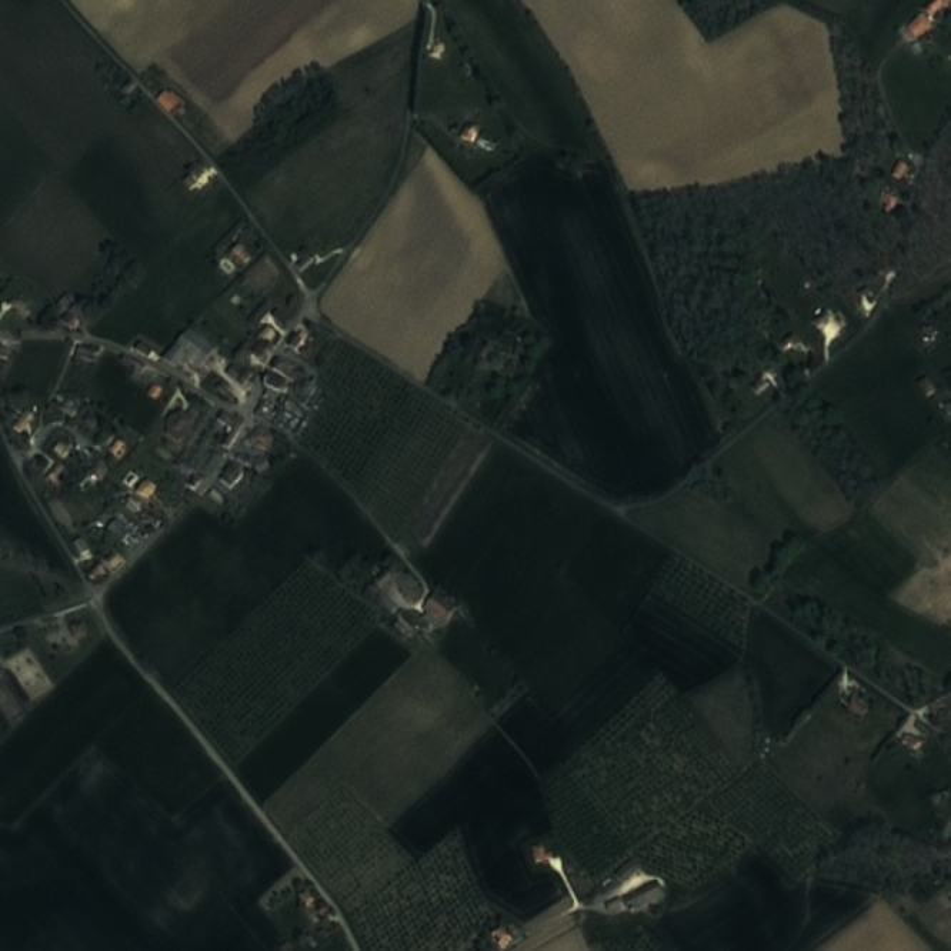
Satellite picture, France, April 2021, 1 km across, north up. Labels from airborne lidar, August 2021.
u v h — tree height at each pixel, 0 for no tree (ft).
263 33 0
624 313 0
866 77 37
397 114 0
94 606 0
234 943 0
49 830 0
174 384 24
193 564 0
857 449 38
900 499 0
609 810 17
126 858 0
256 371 24
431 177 0
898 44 0
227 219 0
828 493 0
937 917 0
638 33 0
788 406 57
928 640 0
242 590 0
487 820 0
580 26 0
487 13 0
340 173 0
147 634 0
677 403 0
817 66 0
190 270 0
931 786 0
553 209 0
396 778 0
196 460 22
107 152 0
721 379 56
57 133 0
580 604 0
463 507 0
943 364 0
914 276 54
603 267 0
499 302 0
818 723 0
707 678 0
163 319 0
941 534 0
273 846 0
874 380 0
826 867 57
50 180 0
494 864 0
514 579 0
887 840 74
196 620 0
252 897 0
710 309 64
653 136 0
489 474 0
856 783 0
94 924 0
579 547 0
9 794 0
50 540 0
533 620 0
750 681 23
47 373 0
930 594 0
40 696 0
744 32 0
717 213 69
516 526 0
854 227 61
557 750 0
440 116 0
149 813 0
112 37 0
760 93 0
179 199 0
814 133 0
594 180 0
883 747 24
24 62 0
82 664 0
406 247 0
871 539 0
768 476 0
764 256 0
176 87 0
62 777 0
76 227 0
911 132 0
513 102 0
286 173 0
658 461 0
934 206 43
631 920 0
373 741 0
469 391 19
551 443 0
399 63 0
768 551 0
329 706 0
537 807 0
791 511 0
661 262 66
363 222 0
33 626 0
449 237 0
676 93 0
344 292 0
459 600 0
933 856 60
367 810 0
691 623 0
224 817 0
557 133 0
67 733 0
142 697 0
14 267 0
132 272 50
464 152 40
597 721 0
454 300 0
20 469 0
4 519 0
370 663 0
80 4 0
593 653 0
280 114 68
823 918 0
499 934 0
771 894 0
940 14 19
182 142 0
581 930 0
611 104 0
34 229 0
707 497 32
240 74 0
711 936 0
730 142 0
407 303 0
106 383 0
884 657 49
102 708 0
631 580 0
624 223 0
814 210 61
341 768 0
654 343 0
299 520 0
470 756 0
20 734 0
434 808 0
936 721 40
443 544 0
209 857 0
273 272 0
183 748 0
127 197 0
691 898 0
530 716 0
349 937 0
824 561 0
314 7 0
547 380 0
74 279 0
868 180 20
